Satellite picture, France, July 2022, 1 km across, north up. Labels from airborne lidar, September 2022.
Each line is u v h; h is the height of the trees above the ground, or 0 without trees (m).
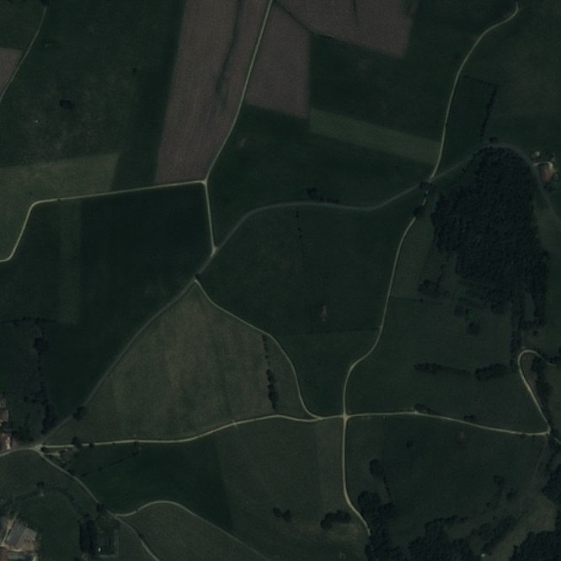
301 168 0
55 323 6
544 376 7
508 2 0
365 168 0
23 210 0
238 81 0
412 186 0
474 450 0
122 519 0
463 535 0
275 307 0
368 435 0
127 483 0
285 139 0
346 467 0
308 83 0
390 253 0
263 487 0
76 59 0
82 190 0
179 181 0
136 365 0
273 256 0
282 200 0
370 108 0
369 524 8
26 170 0
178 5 0
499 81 0
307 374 0
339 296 0
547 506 0
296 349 0
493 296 9
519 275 8
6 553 0
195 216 0
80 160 0
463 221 16
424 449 0
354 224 0
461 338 0
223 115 0
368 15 0
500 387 0
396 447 0
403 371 0
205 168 0
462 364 0
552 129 0
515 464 0
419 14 0
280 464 0
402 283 0
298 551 0
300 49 0
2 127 0
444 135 0
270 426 0
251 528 0
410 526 0
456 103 0
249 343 0
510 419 0
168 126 0
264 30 0
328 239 0
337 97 0
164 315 0
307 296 0
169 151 0
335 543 0
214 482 0
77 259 0
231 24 0
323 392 0
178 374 0
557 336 0
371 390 0
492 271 14
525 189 13
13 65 0
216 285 0
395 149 0
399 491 0
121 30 0
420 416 0
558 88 0
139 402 0
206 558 0
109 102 0
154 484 0
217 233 0
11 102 0
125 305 0
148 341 0
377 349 0
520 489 0
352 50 0
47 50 0
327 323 0
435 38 0
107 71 0
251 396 0
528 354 0
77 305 0
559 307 0
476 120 0
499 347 0
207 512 0
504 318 0
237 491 0
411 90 0
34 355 0
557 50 0
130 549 0
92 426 0
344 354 0
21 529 0
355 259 0
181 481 0
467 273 10
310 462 0
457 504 0
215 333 0
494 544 13
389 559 10
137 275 0
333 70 0
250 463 0
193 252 0
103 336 0
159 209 0
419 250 0
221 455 0
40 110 0
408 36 0
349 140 0
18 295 0
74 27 0
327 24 0
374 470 14
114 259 0
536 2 0
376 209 0
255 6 0
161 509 0
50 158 0
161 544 0
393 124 0
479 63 0
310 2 0
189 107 0
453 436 0
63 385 0
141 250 0
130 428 0
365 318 0
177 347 0
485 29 0
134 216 0
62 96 0
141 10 0
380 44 0
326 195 0
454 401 0
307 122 0
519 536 0
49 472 0
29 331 0
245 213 0
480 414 0
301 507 0
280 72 0
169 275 0
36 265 0
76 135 0
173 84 0
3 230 0
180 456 0
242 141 0
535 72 0
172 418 0
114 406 0
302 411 0
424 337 0
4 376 0
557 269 0
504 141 0
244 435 0
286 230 0
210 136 0
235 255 0
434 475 0
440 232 9
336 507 0
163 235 0
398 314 0
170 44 0
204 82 0
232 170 0
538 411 0
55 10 0
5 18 0
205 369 0
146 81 0
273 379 13
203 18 0
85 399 0
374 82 0
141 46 0
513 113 0
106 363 0
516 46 0
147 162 0
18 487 0
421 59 0
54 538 0
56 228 0
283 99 0
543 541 19
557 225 0
